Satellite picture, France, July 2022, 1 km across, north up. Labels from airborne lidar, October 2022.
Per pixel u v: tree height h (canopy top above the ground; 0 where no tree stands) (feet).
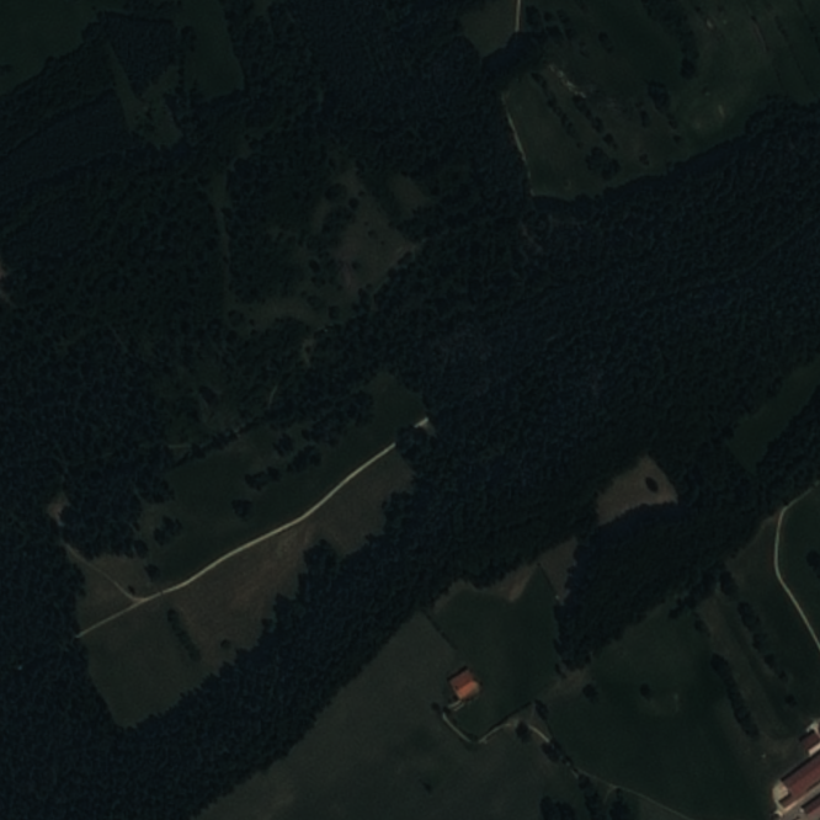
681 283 61
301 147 19
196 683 0
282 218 22
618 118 0
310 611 33
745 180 84
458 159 77
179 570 0
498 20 0
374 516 0
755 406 50
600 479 88
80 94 19
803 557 0
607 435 67
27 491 55
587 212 94
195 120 42
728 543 90
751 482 68
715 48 0
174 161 86
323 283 23
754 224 45
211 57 0
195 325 22
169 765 72
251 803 0
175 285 17
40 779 76
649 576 44
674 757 0
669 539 63
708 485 83
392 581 63
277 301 0
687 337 61
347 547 0
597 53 0
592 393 75
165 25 50
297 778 0
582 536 87
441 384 58
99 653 0
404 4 61
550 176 0
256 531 0
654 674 0
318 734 0
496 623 0
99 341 24
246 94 40
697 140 0
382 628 66
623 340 81
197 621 0
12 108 40
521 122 0
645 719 0
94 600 0
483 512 60
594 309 59
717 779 0
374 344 54
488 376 68
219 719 55
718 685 0
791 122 42
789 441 30
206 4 0
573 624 86
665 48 0
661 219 99
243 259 20
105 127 53
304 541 0
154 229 44
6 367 60
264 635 0
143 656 0
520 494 61
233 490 0
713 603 0
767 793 0
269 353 27
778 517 0
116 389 71
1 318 24
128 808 45
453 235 24
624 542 98
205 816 0
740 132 0
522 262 47
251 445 0
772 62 0
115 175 64
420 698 0
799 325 57
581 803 0
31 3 0
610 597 56
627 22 0
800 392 0
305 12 66
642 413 74
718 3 0
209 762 70
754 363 66
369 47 21
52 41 0
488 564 45
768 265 51
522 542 100
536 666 0
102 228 46
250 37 44
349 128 108
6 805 95
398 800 0
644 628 0
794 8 0
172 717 56
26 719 91
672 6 24
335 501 0
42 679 101
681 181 84
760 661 0
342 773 0
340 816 0
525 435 35
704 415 95
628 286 45
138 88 47
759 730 57
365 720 0
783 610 0
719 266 60
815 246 57
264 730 50
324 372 19
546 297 38
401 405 0
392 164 30
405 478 0
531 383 36
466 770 0
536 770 0
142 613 0
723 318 38
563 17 21
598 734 0
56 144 55
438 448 76
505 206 78
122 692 0
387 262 0
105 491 76
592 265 70
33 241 53
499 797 0
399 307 61
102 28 24
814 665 0
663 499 0
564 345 40
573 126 29
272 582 0
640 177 0
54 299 17
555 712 0
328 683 67
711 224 75
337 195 26
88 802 68
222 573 0
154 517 0
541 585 0
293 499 0
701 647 0
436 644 0
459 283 27
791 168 87
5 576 95
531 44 98
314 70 42
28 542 24
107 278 27
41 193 64
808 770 0
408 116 57
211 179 23
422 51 95
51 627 34
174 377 28
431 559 50
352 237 0
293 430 0
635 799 0
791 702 42
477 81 75
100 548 57
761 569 0
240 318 24
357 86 73
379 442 0
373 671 0
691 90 0
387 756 0
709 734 0
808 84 0
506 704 0
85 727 93
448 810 0
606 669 0
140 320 24
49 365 26
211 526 0
